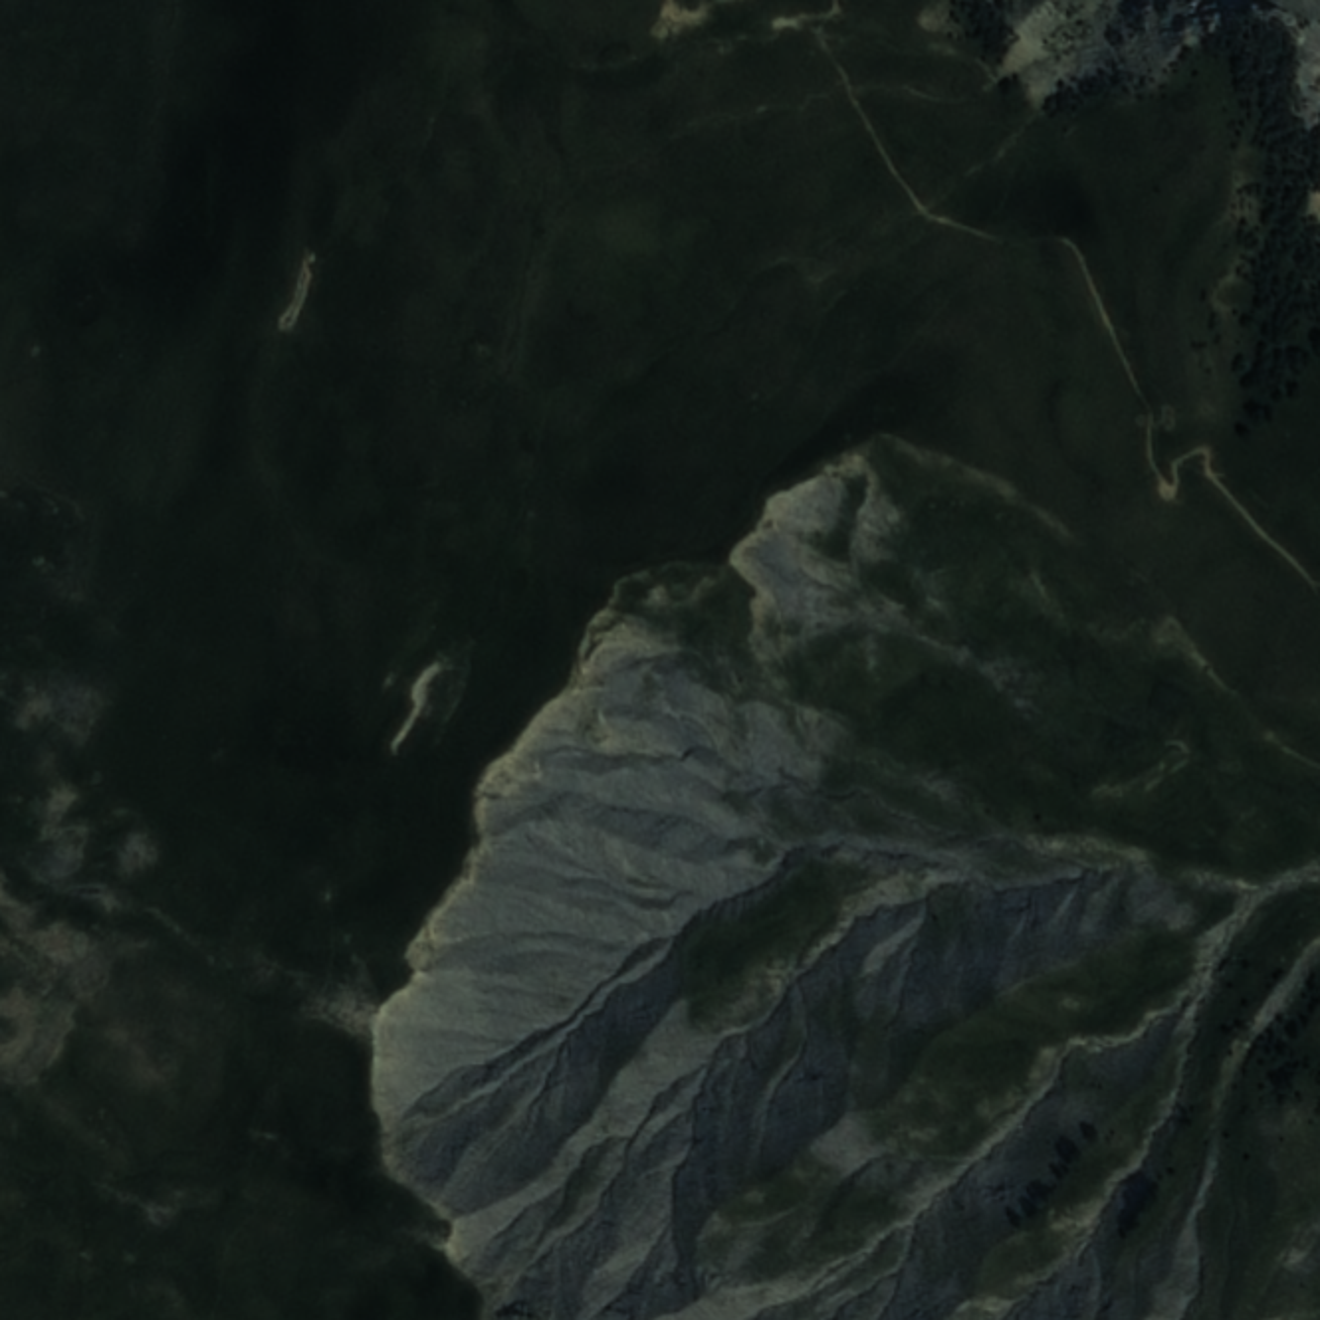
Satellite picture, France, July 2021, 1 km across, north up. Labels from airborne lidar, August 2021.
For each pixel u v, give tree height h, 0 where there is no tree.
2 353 0
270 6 0
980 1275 0
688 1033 0
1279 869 0
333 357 0
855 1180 0
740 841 0
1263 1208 0
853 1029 0
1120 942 0
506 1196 0
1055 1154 0
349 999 0
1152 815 0
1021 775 0
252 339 0
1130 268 0
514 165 0
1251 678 0
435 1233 0
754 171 0
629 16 0
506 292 0
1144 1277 0
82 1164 0
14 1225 0
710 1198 0
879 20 0
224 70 0
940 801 0
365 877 0
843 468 0
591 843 0
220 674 0
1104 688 0
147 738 0
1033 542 0
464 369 0
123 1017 0
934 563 0
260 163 0
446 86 0
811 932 0
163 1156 0
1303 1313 0
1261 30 12
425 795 0
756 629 0
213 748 0
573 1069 0
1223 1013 0
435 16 0
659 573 0
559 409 0
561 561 0
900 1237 0
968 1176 0
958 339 0
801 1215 0
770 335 0
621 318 0
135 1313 0
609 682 0
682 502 0
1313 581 0
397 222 0
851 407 0
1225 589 0
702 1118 0
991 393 0
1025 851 0
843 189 0
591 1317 0
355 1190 0
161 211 0
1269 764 0
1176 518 0
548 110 0
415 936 0
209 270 0
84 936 0
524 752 0
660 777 0
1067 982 0
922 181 0
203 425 0
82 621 0
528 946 0
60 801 0
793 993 0
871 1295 0
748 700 0
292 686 0
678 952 0
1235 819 0
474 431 0
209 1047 0
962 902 0
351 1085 0
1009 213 0
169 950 0
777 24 0
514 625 0
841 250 0
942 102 0
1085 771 0
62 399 0
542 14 0
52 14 0
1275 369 18
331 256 0
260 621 0
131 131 0
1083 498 0
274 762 0
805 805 0
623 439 0
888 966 0
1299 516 0
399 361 0
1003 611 0
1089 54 0
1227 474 0
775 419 0
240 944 0
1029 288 0
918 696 0
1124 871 0
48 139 0
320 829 0
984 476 0
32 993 0
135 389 0
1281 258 20
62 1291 0
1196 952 0
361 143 0
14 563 0
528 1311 0
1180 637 0
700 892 0
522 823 0
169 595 0
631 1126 0
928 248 0
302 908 0
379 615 0
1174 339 0
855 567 0
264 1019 0
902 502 0
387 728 0
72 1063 0
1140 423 0
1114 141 0
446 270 0
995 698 0
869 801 0
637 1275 0
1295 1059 8
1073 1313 0
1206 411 0
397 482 0
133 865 0
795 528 0
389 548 0
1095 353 0
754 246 0
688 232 0
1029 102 0
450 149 0
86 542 0
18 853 0
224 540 0
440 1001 0
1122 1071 0
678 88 0
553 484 0
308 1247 0
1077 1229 0
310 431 0
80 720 0
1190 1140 0
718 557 0
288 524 0
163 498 0
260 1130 0
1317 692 0
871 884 0
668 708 0
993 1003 0
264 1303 0
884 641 0
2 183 0
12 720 0
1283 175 8
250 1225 0
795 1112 0
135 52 0
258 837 0
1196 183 0
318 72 0
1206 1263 0
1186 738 0
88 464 0
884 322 0
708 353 0
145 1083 0
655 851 0
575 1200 0
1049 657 0
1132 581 0
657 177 0
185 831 0
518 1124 0
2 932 0
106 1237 0
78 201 0
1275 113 15
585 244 0
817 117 0
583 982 0
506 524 0
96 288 0
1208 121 0
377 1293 0
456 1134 0
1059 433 0
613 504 0
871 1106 0
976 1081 0
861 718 0
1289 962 0
